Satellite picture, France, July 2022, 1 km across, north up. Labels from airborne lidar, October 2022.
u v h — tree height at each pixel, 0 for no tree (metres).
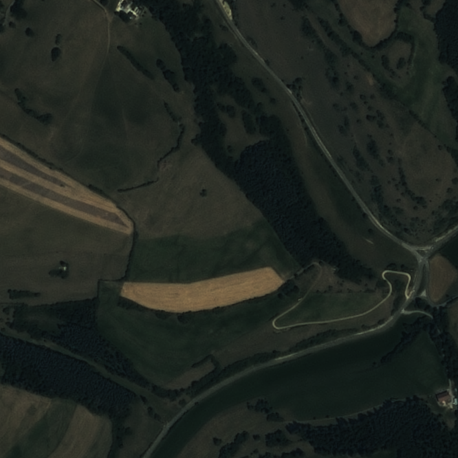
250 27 0
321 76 0
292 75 0
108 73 0
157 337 0
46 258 0
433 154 0
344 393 0
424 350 0
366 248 0
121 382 0
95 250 0
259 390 0
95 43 0
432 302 0
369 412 0
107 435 0
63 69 0
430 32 0
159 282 0
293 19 0
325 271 0
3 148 0
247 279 0
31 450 0
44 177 0
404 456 16
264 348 0
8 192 0
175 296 0
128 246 0
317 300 0
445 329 18
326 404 0
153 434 0
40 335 10
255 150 23
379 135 0
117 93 0
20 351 26
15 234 0
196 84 12
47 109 0
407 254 0
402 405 13
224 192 0
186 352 0
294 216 15
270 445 7
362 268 9
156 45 0
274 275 0
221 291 0
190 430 0
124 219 0
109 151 0
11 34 0
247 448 0
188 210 0
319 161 0
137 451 0
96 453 0
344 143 0
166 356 0
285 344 0
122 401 22
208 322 0
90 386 23
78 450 0
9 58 0
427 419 15
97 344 18
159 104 0
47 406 0
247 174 16
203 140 14
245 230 0
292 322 0
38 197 0
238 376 0
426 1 12
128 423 0
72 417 0
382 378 0
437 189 0
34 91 0
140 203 0
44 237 0
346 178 0
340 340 0
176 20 9
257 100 0
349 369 0
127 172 0
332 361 0
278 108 0
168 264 0
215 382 8
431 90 0
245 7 0
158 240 0
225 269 0
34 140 0
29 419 0
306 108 0
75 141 0
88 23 0
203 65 10
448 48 16
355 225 0
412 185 0
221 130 10
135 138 0
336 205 0
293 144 0
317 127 0
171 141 0
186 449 0
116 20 0
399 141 0
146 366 0
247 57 0
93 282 0
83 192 0
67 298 0
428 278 0
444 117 0
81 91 0
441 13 16
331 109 0
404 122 0
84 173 0
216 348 0
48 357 26
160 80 0
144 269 0
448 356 9
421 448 7
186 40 14
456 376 10
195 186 0
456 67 14
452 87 19
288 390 0
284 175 22
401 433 15
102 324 0
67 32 0
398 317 0
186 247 0
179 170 0
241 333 0
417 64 0
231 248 0
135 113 0
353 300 0
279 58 0
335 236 11
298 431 26
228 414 0
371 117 11
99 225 0
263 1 0
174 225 0
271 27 0
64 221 0
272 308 0
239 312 0
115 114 0
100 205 0
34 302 0
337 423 0
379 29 0
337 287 0
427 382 0
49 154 0
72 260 0
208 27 6
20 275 0
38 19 0
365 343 0
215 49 8
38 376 12
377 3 0
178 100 0
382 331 0
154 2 13
